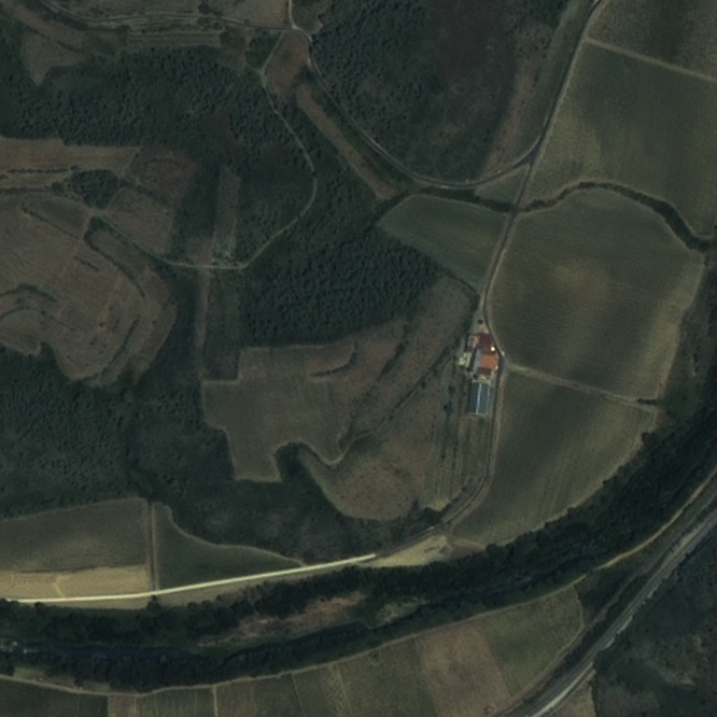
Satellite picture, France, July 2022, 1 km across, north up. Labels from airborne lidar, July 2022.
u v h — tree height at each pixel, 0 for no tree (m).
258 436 0
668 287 0
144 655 0
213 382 0
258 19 0
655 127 0
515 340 0
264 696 0
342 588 6
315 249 11
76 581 0
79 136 11
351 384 0
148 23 0
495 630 0
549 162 0
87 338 0
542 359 0
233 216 0
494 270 0
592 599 8
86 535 0
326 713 0
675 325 0
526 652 0
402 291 12
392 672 0
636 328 0
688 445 11
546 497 0
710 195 0
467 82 0
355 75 11
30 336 0
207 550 0
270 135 15
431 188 6
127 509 0
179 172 0
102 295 0
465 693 0
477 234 0
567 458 0
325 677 0
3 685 0
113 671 18
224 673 18
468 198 6
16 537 0
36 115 9
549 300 0
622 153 0
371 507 0
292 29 0
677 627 0
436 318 0
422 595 12
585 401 0
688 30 0
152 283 0
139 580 0
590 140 0
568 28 0
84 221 0
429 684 0
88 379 6
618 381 0
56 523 0
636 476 10
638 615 11
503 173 0
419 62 0
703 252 6
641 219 0
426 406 0
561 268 0
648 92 0
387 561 0
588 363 0
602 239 0
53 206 0
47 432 9
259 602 8
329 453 0
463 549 0
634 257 0
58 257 0
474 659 0
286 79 0
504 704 0
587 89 0
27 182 0
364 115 10
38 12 0
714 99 0
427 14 10
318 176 13
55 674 5
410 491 0
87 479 10
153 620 9
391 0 11
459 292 0
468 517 0
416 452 0
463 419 0
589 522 5
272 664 7
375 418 0
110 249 0
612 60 0
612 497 7
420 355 0
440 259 0
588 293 0
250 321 6
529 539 15
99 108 10
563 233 0
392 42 8
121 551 0
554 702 0
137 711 0
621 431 0
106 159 0
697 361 9
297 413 0
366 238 9
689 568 11
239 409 0
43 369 6
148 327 0
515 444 0
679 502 11
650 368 0
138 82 7
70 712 0
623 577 7
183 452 0
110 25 0
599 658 11
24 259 0
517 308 0
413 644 0
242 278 7
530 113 0
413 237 0
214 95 9
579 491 0
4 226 0
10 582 0
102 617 6
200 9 8
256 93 11
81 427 13
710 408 11
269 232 9
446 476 0
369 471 0
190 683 15
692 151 0
